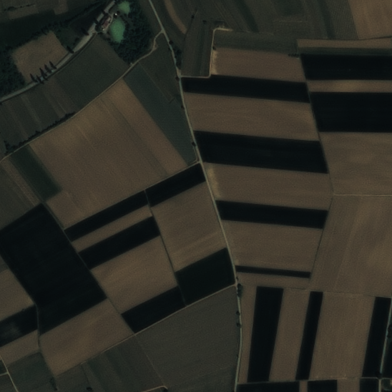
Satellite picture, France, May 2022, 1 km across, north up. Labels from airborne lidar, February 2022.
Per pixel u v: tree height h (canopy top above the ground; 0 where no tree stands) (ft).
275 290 0
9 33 0
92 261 0
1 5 0
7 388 0
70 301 0
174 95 0
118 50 41
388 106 0
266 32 0
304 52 0
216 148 0
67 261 0
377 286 0
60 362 0
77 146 0
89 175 0
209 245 0
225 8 0
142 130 0
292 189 0
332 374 0
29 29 0
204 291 0
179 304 0
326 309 0
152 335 0
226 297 0
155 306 0
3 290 0
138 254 0
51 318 0
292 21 0
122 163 0
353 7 0
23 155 0
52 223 0
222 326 0
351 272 0
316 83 0
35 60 0
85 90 0
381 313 0
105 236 0
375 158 0
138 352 0
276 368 0
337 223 0
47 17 0
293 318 0
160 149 0
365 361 0
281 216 0
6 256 0
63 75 0
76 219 0
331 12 0
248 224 0
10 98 0
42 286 0
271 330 0
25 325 0
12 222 0
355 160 0
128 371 0
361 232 0
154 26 0
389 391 0
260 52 0
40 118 0
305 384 0
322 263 0
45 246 0
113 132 0
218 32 0
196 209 0
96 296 0
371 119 0
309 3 0
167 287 0
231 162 0
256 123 0
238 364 0
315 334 0
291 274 0
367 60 0
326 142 0
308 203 0
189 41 0
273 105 0
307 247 0
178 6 0
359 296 0
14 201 0
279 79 0
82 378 0
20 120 0
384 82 0
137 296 0
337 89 0
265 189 0
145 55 0
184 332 0
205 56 0
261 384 0
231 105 0
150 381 0
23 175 0
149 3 0
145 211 0
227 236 0
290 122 0
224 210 0
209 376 0
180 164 0
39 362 0
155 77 0
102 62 0
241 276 0
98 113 0
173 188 0
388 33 0
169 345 0
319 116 0
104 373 0
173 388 0
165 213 0
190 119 0
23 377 0
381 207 0
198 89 0
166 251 0
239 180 0
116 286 0
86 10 30
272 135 0
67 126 0
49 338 0
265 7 0
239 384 0
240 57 0
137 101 0
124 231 0
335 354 0
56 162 0
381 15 0
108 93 0
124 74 0
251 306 0
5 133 0
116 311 0
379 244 0
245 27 0
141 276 0
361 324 0
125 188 0
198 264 0
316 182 0
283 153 0
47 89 0
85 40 0
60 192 0
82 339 0
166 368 0
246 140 0
